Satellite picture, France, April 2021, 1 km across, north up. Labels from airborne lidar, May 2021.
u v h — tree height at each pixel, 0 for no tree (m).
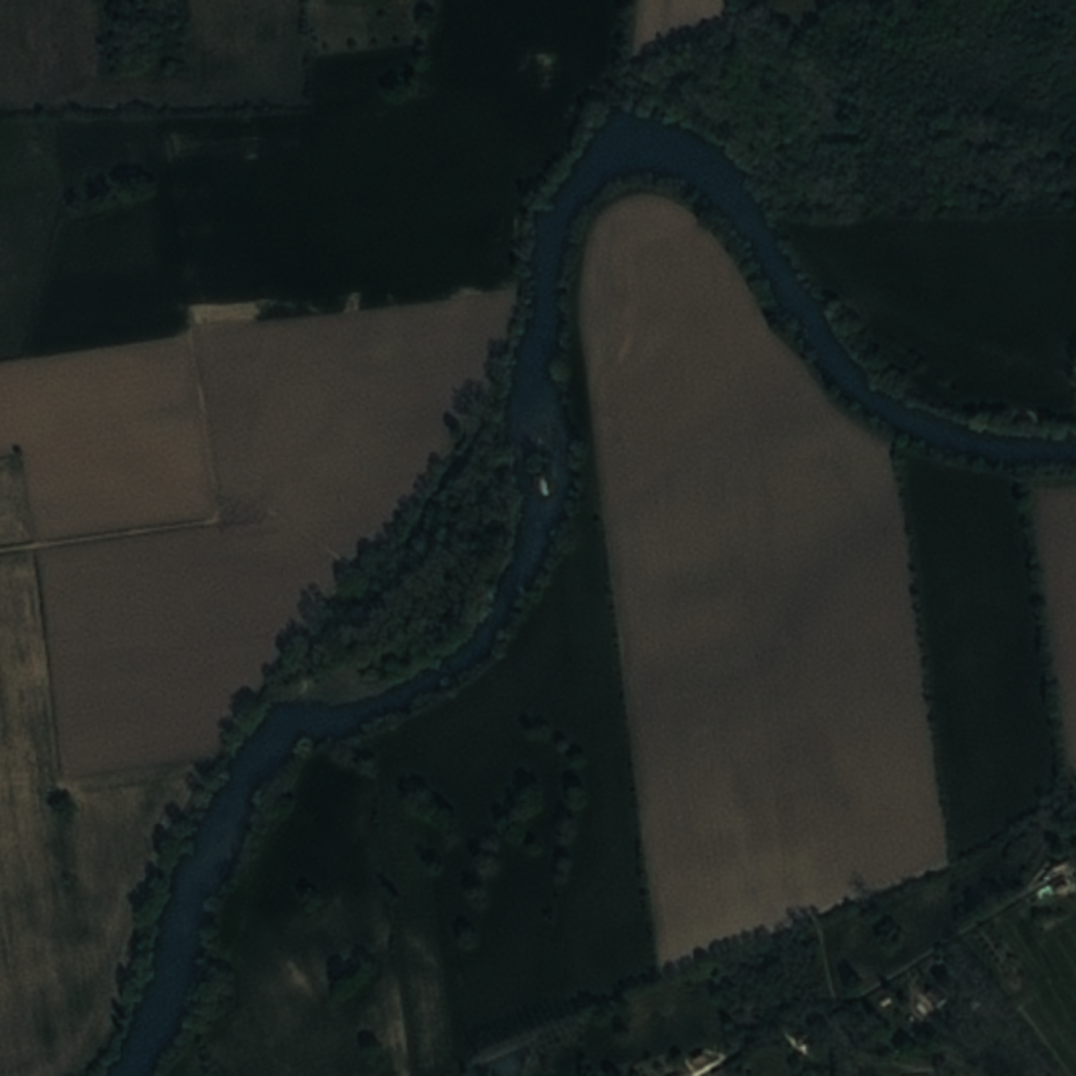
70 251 0
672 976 14
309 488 0
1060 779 15
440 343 0
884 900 7
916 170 17
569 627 0
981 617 0
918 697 0
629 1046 12
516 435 0
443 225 0
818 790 0
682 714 0
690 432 0
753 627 0
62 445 0
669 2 0
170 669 0
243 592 0
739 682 0
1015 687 0
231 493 0
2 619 0
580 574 0
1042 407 0
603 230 0
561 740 13
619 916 0
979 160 14
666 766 0
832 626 0
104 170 0
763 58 18
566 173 13
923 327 0
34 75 0
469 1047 0
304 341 0
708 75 33
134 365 0
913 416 0
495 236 0
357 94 0
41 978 0
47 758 0
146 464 0
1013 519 0
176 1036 15
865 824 0
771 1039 17
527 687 0
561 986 0
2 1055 0
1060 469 17
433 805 22
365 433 0
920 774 0
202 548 0
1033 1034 18
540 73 0
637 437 0
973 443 0
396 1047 0
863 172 17
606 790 0
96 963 0
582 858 0
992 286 0
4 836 0
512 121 0
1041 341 0
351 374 0
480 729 0
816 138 11
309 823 0
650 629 0
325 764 0
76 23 0
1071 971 0
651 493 0
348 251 0
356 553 0
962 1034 18
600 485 0
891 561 0
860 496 0
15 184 0
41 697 0
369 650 33
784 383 0
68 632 0
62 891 0
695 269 0
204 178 0
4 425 0
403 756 0
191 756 0
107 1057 11
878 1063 10
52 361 0
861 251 0
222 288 0
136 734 0
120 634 0
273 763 0
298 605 0
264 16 0
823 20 14
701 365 0
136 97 0
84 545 0
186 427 0
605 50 0
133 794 0
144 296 0
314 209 0
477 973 0
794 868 0
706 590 0
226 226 0
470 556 33
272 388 0
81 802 0
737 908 0
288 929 0
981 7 18
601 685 0
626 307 0
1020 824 8
